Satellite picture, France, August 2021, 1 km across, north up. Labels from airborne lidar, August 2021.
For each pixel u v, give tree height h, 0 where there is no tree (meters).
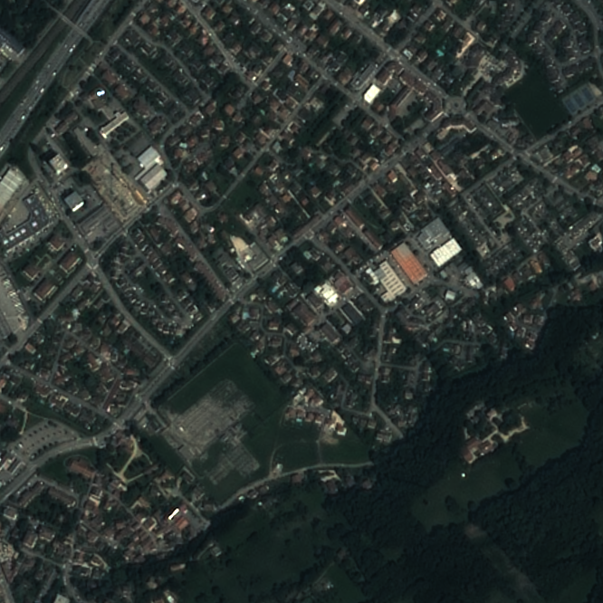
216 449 0
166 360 0
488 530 27
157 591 9
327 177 12
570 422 0
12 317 0
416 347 14
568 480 22
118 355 0
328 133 0
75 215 14
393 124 9
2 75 9
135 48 7
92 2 0
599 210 9
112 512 6
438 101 0
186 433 0
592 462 19
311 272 11
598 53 0
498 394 18
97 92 0
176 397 0
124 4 0
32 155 0
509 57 0
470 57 0
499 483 0
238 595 0
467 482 0
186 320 0
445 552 24
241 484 0
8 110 0
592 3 0
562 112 0
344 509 19
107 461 12
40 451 8
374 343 8
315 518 0
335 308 0
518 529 21
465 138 6
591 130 11
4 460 0
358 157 7
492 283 8
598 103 0
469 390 26
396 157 0
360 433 13
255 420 0
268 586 0
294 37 0
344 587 0
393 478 7
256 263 0
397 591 15
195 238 12
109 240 0
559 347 16
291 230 9
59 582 11
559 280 18
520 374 24
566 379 8
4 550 0
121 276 5
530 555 11
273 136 0
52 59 0
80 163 14
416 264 0
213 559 7
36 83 0
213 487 0
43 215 0
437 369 12
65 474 0
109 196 0
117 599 17
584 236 0
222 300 6
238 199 0
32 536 0
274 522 7
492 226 8
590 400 22
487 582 14
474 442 0
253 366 0
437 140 6
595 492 21
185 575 10
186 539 6
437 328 0
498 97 0
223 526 15
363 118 7
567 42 0
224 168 12
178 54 11
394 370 6
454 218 13
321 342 6
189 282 5
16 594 6
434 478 12
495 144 12
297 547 0
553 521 23
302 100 0
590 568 10
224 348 14
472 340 11
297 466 0
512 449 6
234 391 0
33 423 0
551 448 0
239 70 0
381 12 0
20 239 0
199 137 6
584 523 17
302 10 11
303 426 0
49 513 9
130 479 0
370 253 6
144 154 0
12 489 0
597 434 19
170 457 0
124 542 6
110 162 0
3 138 0
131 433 10
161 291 13
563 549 11
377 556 19
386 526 15
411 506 17
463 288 0
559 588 10
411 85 0
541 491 23
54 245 0
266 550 0
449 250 0
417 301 0
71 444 0
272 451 0
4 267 0
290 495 7
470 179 7
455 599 13
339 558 12
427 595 17
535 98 0
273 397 0
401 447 23
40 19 8
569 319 17
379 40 0
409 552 15
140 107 0
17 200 0
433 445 14
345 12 0
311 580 17
